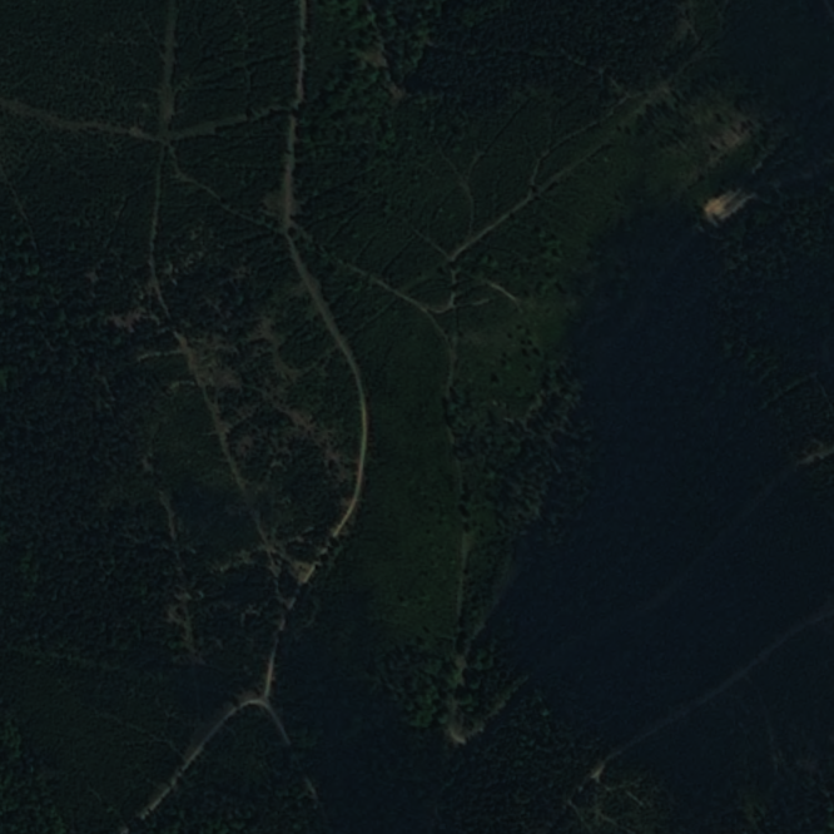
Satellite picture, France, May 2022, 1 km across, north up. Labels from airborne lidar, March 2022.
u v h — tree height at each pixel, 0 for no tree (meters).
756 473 19
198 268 6
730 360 21
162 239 10
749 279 20
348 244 8
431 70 16
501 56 14
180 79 9
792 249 15
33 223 9
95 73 8
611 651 24
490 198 5
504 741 18
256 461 9
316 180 8
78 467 27
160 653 16
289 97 11
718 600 28
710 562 14
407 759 20
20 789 22
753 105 27
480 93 18
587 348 7
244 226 9
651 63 12
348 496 6
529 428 8
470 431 9
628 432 31
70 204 12
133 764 8
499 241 6
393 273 8
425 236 6
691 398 15
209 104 10
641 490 25
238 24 8
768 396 18
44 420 27
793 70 0
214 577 6
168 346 11
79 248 16
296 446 11
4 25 5
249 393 9
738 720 6
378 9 35
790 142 15
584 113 8
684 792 9
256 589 12
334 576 7
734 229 25
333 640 8
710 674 6
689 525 19
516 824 13
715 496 11
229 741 6
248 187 8
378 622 6
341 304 8
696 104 25
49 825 21
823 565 8
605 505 22
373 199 6
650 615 12
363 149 30
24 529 23
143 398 27
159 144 6
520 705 22
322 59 7
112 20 8
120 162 8
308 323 7
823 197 26
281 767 9
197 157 9
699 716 9
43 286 16
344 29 8
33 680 6
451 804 17
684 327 10
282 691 12
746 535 13
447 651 7
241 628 12
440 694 39
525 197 6
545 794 20
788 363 15
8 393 27
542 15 17
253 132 9
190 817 25
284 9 9
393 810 19
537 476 39
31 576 21
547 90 12
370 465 8
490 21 15
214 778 7
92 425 25
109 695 6
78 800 7
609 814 6
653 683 14
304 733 19
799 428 15
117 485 27
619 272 23
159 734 7
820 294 21
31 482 29
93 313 22
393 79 32
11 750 24
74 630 20
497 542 8
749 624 24
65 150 7
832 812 16
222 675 9
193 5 7
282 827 23
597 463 23
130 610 24
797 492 13
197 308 14
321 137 22
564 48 18
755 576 11
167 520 6
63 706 6
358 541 8
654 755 9
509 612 19
